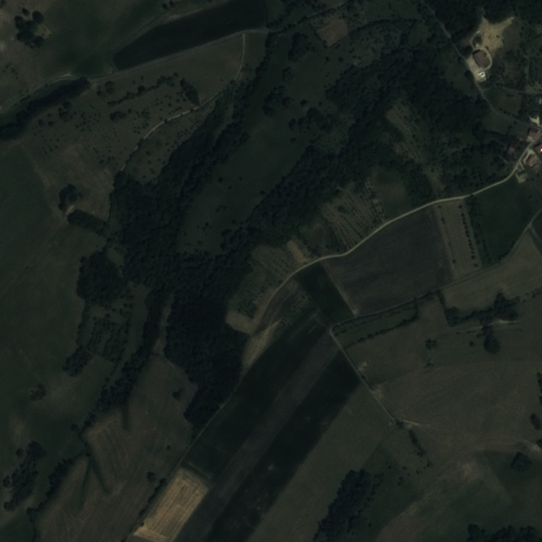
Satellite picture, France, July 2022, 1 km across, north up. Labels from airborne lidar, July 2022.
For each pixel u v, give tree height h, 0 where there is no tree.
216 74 0
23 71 0
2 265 0
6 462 0
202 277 19
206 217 0
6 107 0
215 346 17
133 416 0
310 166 11
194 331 22
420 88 26
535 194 0
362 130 16
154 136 0
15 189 0
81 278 6
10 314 0
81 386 0
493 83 10
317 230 0
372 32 6
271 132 0
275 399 0
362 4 17
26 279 0
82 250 0
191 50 0
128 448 0
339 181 16
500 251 0
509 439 0
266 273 0
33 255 0
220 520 0
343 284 0
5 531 0
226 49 0
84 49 0
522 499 0
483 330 6
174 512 0
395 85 17
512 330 0
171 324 12
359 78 8
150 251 21
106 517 0
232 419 0
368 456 0
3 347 0
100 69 0
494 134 18
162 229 28
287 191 18
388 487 0
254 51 0
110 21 0
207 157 18
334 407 0
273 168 0
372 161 7
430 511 0
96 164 0
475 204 9
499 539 21
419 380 0
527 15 14
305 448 0
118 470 0
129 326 12
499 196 0
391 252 0
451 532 0
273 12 0
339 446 0
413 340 0
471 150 8
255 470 0
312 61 0
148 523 0
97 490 0
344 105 10
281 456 0
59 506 0
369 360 0
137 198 20
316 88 0
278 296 0
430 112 22
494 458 0
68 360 10
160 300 17
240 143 11
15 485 13
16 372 0
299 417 0
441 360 0
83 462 0
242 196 0
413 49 8
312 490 0
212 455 0
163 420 0
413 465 0
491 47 0
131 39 0
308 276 0
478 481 0
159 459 0
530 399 0
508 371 0
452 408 0
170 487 0
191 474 0
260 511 0
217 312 19
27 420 0
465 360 0
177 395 16
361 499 10
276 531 0
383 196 0
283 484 0
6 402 0
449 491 0
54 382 0
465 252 0
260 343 0
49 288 0
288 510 0
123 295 6
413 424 0
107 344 7
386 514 0
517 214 0
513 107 0
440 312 0
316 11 11
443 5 19
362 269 0
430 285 0
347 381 0
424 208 0
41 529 0
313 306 0
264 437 0
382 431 0
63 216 0
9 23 0
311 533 0
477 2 16
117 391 21
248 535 0
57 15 0
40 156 0
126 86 0
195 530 0
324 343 0
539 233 0
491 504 0
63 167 0
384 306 0
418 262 0
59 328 0
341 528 6
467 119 21
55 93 0
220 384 19
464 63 9
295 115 0
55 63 0
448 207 0
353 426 0
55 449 0
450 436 0
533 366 0
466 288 0
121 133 0
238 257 17
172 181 17
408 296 0
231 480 0
